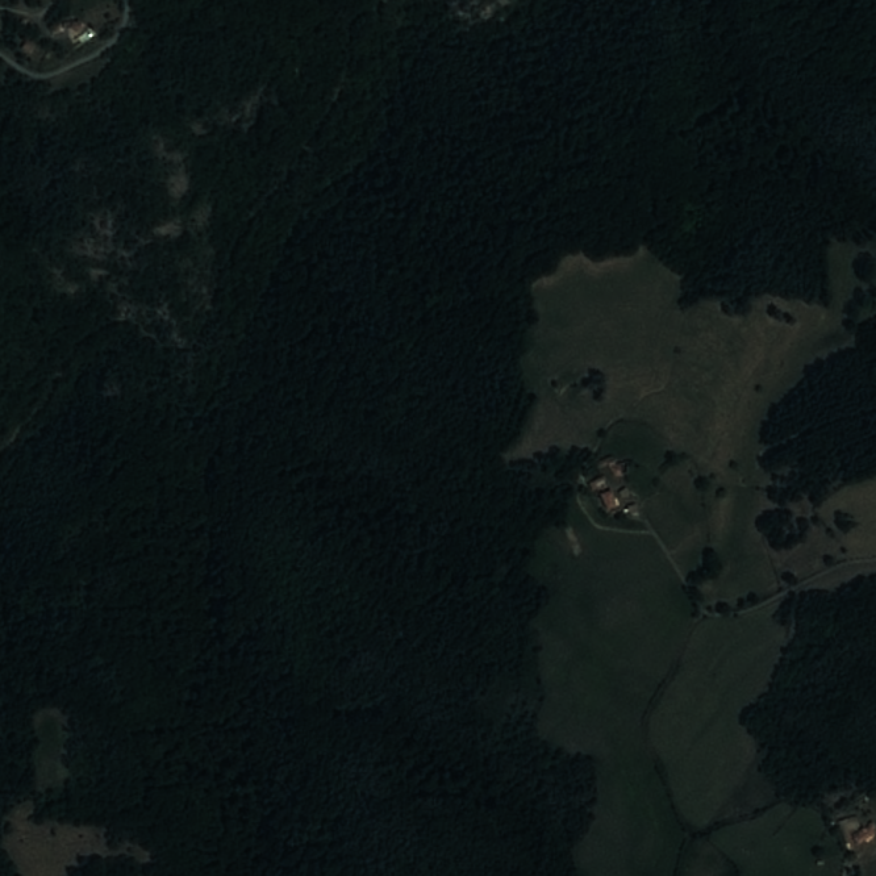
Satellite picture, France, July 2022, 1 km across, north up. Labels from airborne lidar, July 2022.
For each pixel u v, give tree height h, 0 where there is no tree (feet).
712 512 0
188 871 69
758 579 0
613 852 0
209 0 73
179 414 99
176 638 69
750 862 0
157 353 71
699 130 91
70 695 62
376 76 45
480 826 61
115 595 57
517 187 49
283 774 75
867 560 0
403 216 51
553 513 46
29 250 37
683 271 44
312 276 82
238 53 95
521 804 37
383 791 60
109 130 59
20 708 56
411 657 49
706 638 0
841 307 0
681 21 58
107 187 27
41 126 33
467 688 45
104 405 47
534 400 41
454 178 83
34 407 34
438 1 46
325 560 55
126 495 74
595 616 0
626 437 0
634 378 0
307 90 61
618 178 87
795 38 76
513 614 39
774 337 0
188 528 43
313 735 88
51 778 0
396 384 44
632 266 0
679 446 0
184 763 37
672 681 0
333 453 46
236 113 35
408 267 68
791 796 32
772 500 44
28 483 32
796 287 76
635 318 0
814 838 0
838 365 58
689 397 0
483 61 75
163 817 77
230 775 33
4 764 47
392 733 102
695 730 0
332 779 70
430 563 31
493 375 72
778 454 57
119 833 54
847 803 34
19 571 62
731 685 0
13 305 57
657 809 0
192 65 67
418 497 64
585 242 38
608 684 0
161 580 67
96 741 39
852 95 58
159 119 52
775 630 0
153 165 74
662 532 0
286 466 99
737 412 0
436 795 47
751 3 55
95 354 73
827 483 44
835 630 51
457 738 42
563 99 53
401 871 43
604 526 0
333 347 76
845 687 31
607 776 0
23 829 0
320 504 45
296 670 65
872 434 52
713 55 102
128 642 79
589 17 73
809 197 62
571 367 0
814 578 0
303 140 66
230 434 112
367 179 25
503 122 80
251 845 99
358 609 55
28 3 47
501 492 57
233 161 64
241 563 78
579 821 31
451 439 48
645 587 0
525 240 52
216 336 81
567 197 71
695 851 0
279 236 91
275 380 78
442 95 50
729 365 0
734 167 69
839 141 56
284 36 71
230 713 94
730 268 98
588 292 0
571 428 0
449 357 52
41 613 43
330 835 50
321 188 85
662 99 74
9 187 62
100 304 57
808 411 58
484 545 67
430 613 47
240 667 84
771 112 73
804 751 39
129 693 79
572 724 0
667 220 81
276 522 54
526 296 41
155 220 37
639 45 46
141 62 28
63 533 44
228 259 46
